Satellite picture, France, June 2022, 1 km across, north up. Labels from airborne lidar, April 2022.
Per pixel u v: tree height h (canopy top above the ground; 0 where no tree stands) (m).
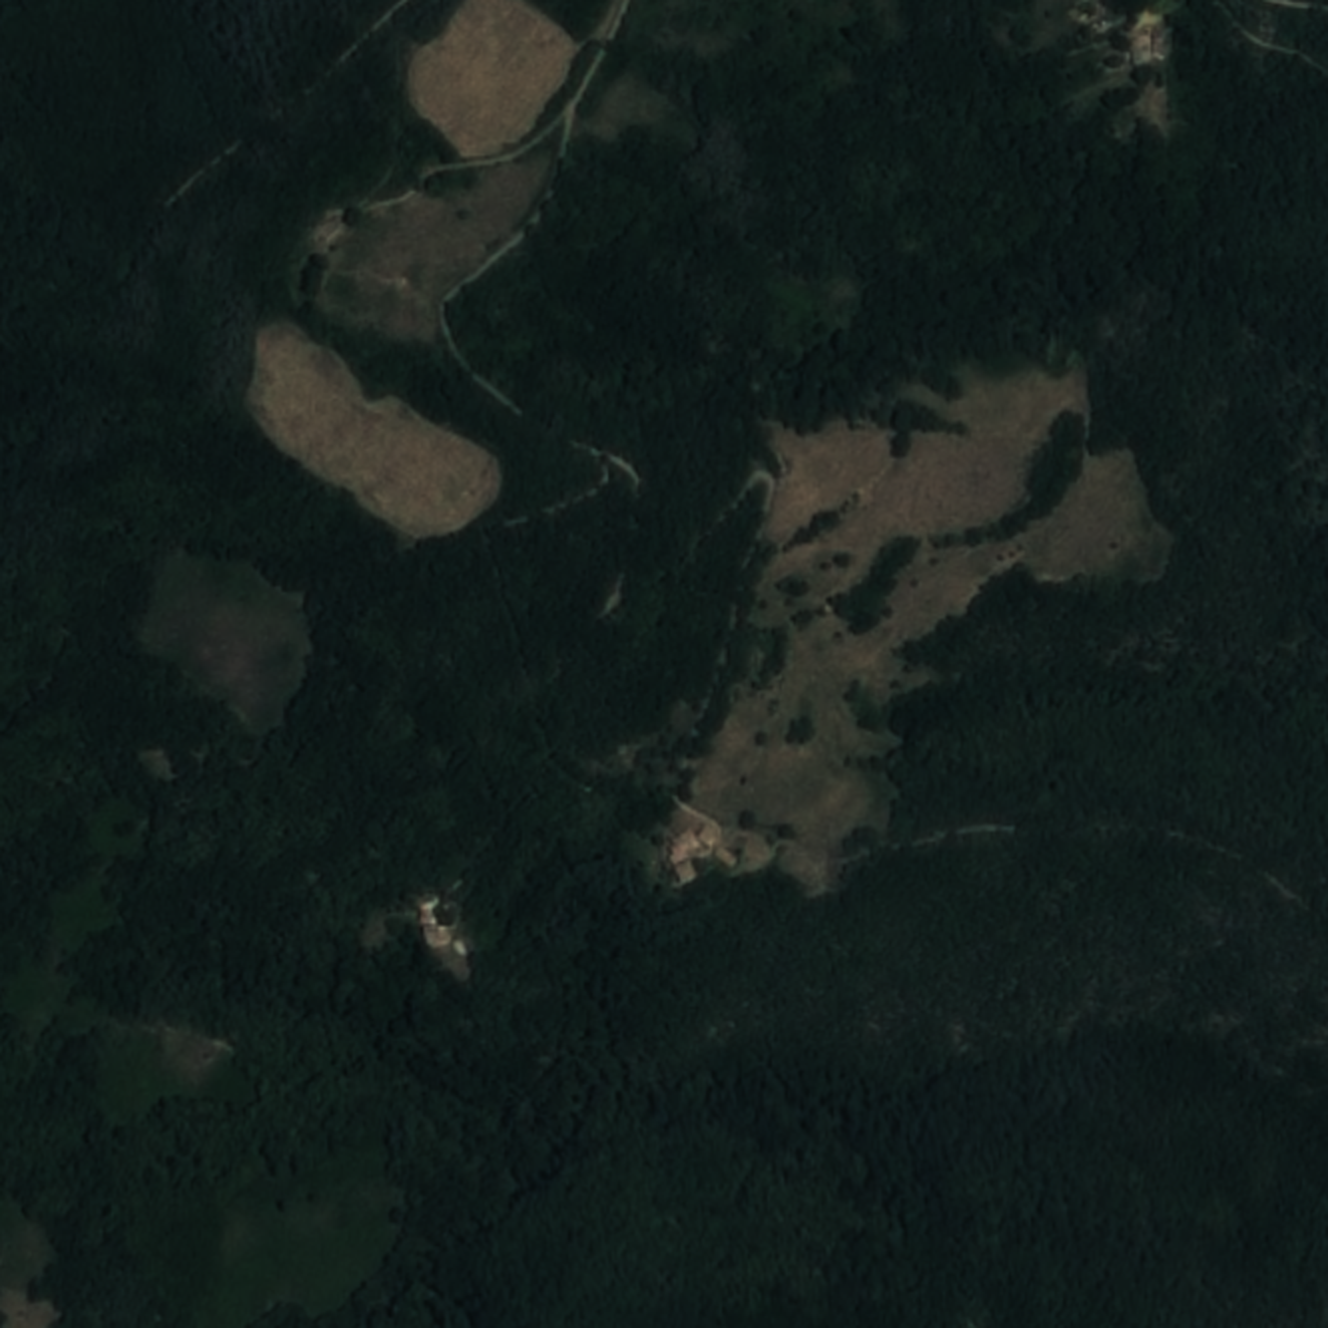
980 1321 6
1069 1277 12
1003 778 12
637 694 16
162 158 7
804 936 8
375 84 11
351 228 14
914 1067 11
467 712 11
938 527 0
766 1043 12
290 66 14
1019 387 0
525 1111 24
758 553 8
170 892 16
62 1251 12
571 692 8
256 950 9
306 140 7
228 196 10
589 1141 21
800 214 11
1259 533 11
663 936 19
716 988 8
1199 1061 14
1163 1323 8
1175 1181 8
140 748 15
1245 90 10
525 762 11
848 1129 20
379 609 16
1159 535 0
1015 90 13
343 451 0
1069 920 16
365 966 12
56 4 11
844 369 21
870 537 0
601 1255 15
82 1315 13
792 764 0
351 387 0
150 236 11
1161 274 23
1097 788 18
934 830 7
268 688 0
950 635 15
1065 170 17
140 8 10
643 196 15
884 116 19
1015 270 18
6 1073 16
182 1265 17
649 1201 12
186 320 10
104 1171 23
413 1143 23
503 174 0
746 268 17
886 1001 7
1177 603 16
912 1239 21
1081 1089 7
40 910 16
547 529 11
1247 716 15
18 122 13
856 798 0
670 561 13
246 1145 18
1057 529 0
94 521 21
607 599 14
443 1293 26
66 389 17
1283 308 8
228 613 0
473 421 9
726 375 20
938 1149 20
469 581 14
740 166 21
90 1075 17
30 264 18
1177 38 12
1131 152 12
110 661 18
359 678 20
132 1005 11
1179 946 10
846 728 0
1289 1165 11
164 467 21
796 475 0
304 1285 0
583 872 26
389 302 0
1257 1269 10
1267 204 12
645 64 6
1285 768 14
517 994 17
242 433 18
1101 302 16
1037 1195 17
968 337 18
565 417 10
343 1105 17
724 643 18
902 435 10
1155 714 17
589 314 9
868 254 16
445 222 0
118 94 11
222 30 10
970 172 15
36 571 18
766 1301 12
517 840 20
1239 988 13
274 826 19
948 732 21
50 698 18
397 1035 24
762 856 0
